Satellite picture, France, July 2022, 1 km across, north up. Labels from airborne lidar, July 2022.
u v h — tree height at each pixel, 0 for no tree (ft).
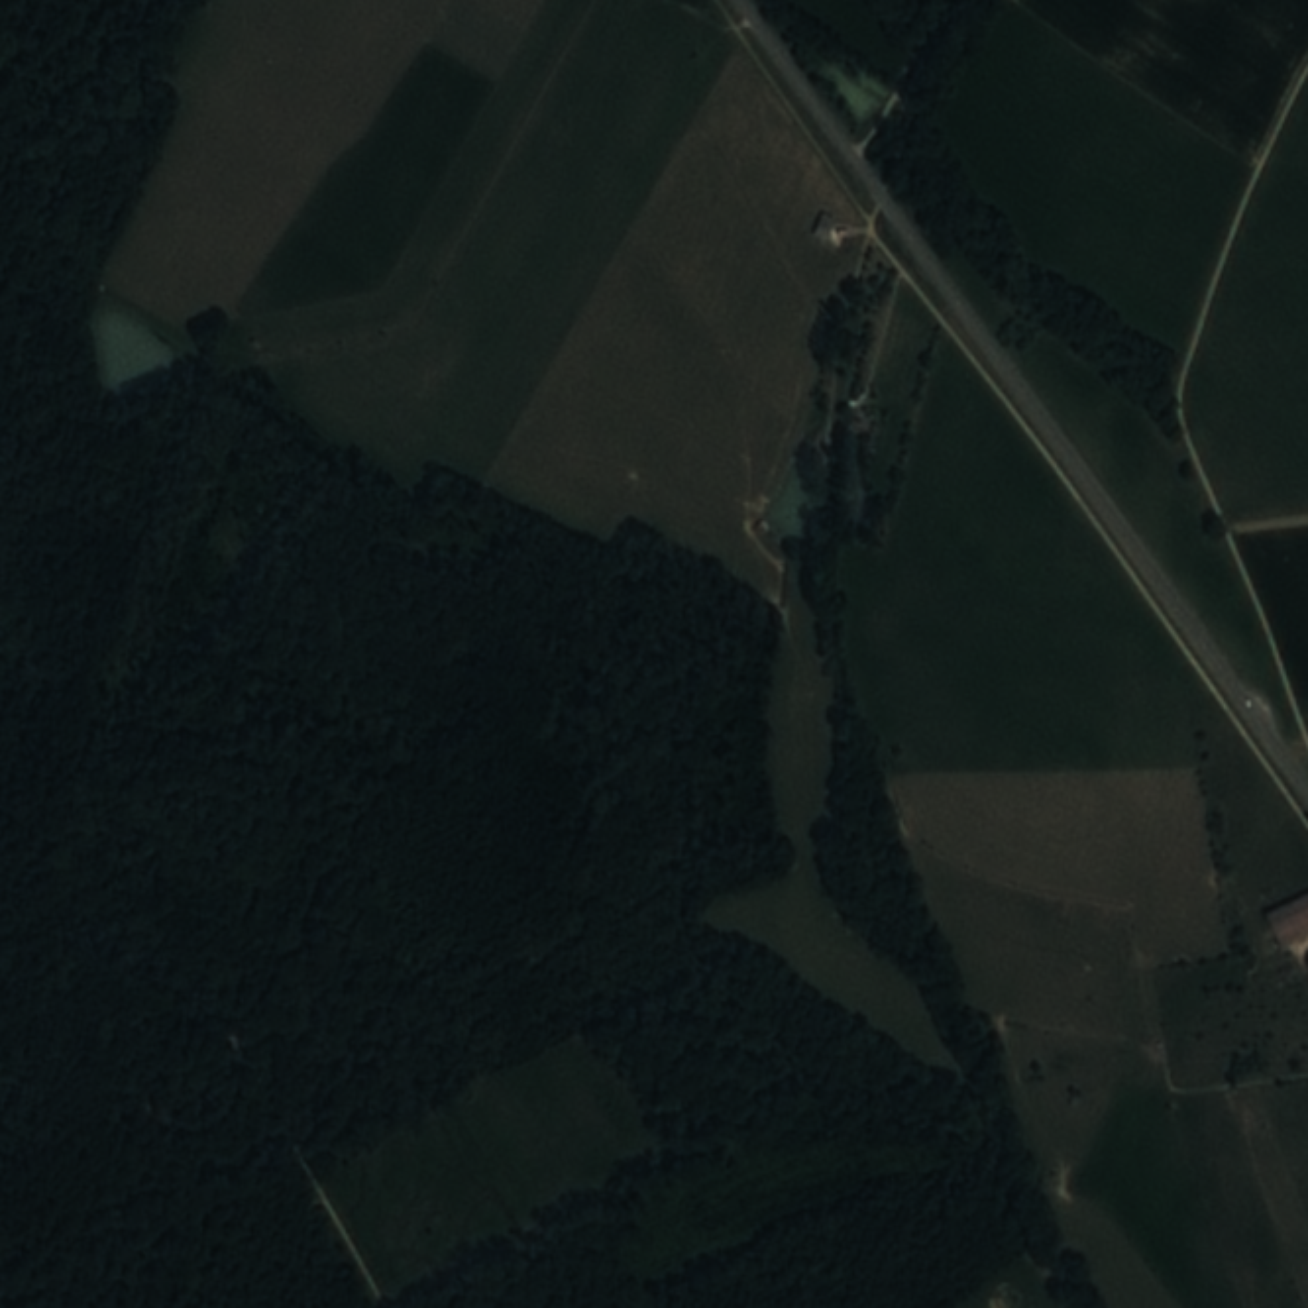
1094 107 0
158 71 62
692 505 0
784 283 0
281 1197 54
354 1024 63
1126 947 0
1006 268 77
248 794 86
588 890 36
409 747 65
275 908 47
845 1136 70
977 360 0
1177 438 35
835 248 0
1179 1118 0
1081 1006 0
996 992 0
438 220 0
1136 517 0
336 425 0
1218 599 0
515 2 0
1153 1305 0
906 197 43
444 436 0
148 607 102
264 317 0
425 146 0
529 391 0
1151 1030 0
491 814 65
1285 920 0
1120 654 0
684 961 33
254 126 0
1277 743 0
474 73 0
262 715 93
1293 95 0
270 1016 74
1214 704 0
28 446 73
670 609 89
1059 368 0
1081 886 0
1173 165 0
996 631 0
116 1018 62
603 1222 72
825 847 56
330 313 0
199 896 68
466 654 28
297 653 93
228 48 0
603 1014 29
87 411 72
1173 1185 0
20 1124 85
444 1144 0
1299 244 0
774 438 0
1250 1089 0
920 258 0
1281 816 0
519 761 63
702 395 0
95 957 77
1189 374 0
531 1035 35
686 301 0
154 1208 89
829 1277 41
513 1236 43
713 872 60
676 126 0
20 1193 91
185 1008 40
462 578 75
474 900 44
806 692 0
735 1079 40
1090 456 0
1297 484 0
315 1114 46
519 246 0
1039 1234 78
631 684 91
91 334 45
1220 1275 0
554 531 64
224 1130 87
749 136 0
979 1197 60
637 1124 0
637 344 0
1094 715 0
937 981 83
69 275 71
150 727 71
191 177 0
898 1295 52
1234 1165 0
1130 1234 0
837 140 0
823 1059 74
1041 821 0
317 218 0
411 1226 0
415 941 37
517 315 0
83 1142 82
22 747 63
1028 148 0
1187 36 0
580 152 0
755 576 0
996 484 0
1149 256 0
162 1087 73
